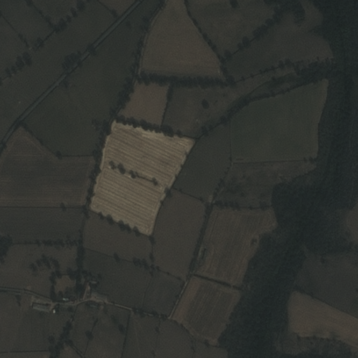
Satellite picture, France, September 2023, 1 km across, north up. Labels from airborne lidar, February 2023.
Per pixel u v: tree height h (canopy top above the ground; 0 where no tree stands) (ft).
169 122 0
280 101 0
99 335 0
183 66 0
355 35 72
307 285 0
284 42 0
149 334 0
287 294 42
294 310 0
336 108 55
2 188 0
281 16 50
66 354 0
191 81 54
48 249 0
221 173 0
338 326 0
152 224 0
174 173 0
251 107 0
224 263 0
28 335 0
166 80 44
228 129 0
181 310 0
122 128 0
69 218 0
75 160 0
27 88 0
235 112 33
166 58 0
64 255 0
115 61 0
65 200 0
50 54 0
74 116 0
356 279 0
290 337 0
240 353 51
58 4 0
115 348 0
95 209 0
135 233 52
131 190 0
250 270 20
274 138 0
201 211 0
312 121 0
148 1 0
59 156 38
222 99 0
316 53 0
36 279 0
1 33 0
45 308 0
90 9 0
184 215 0
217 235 0
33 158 0
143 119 0
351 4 74
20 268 0
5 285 0
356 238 0
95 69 0
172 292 0
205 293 0
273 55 0
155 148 0
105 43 0
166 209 0
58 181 0
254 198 0
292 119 0
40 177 0
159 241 0
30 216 0
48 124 0
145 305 0
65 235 0
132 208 0
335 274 0
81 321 0
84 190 0
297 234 23
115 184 0
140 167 0
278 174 0
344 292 0
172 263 0
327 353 23
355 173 38
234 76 0
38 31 0
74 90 0
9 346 0
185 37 0
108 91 0
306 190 37
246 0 0
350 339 0
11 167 0
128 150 0
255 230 0
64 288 0
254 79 0
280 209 45
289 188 49
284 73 0
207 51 0
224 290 0
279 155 0
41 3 0
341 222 0
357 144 22
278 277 43
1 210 0
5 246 37
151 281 0
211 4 0
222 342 43
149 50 0
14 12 0
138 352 0
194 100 0
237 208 38
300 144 0
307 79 32
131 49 0
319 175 30
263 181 0
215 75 0
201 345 0
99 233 0
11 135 0
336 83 43
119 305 0
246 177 0
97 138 0
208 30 0
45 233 0
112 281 0
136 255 0
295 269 31
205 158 0
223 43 0
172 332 0
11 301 0
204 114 0
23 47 0
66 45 0
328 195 67
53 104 0
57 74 0
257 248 0
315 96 0
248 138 0
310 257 0
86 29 0
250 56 0
